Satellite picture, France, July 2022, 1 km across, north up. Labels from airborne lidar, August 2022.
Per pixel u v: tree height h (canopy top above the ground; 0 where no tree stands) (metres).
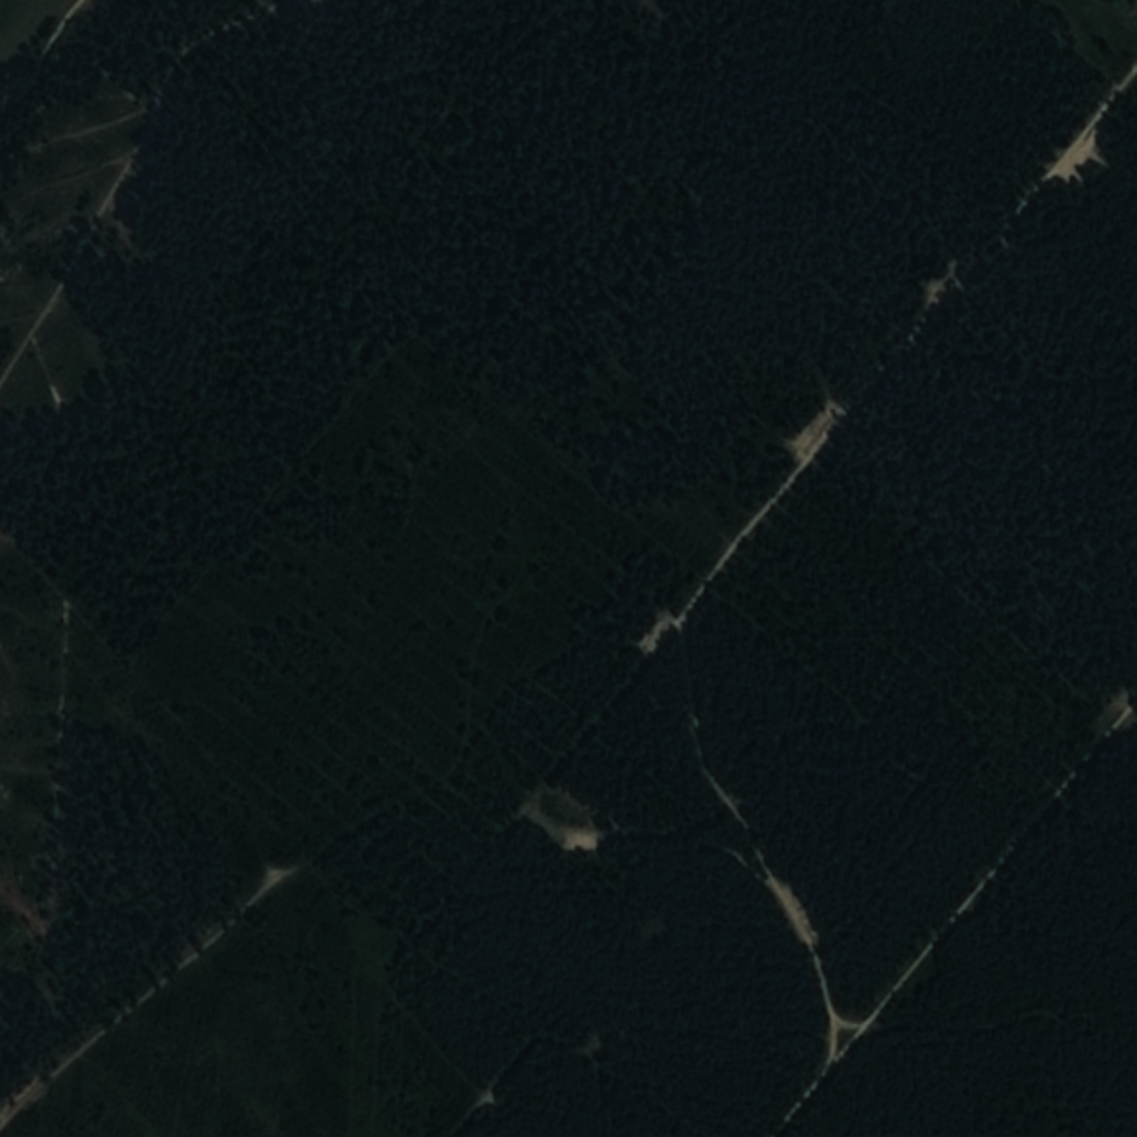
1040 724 9
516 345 29
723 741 19
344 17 35
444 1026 13
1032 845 19
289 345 15
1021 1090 12
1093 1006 12
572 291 38
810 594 10
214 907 33
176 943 30
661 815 9
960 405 31
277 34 29
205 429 14
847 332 31
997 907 13
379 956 0
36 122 25
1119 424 24
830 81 19
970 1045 14
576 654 11
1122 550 24
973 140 12
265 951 6
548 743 12
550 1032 16
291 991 6
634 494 26
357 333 22
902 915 15
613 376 5
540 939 16
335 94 36
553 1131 13
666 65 16
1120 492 22
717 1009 19
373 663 5
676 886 21
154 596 13
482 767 8
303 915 7
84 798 30
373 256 28
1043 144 15
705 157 17
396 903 9
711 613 14
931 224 21
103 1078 0
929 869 13
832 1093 14
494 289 17
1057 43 12
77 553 13
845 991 16
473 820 12
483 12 21
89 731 27
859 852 19
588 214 24
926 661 12
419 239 28
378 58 32
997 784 8
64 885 29
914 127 19
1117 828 20
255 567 14
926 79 14
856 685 12
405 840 12
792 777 18
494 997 8
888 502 9
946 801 14
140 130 0
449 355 10
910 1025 8
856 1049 14
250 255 11
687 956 17
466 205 22
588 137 31
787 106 26
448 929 7
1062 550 34
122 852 33
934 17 15
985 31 8
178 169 34
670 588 6
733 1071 21
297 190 31
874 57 13
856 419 16
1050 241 14
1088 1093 9
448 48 20
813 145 27
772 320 32
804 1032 14
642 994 20
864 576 13
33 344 0
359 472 17
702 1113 18
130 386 25
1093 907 15
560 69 27
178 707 12
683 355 30
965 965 13
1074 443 21
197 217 27
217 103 35
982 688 7
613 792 11
